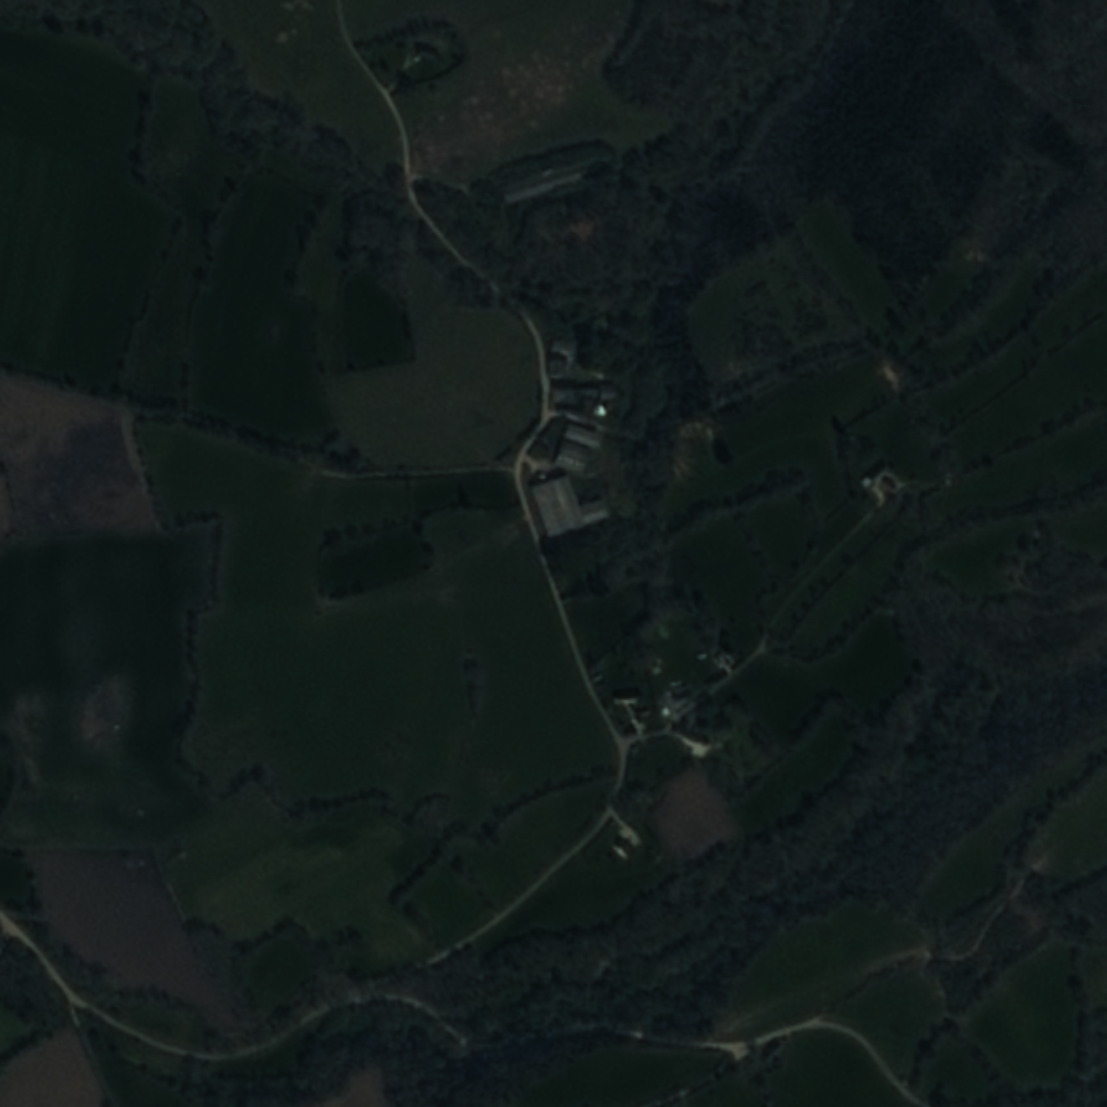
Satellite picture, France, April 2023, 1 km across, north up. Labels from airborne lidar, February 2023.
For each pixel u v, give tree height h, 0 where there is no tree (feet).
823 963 0
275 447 41
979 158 38
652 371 59
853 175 38
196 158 0
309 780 0
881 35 32
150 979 0
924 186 44
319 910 0
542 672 0
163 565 0
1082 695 70
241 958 49
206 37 54
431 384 0
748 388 41
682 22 34
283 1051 0
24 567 0
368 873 0
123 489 0
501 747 0
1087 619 60
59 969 55
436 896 0
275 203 0
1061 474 0
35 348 0
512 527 0
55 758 0
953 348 0
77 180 0
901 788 76
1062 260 68
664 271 63
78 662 0
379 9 0
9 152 0
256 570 0
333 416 0
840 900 55
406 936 0
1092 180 59
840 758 0
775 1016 0
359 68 0
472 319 0
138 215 0
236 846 0
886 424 0
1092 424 0
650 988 24
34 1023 56
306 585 0
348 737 0
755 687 0
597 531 24
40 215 0
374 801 32
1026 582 42
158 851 0
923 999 0
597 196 65
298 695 0
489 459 0
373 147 0
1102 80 64
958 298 0
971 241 60
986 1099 0
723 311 0
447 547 0
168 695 0
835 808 63
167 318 0
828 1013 0
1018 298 0
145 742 0
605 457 0
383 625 0
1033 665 49
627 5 0
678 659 0
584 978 24
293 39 0
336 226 0
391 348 0
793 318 0
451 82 0
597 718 0
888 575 0
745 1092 0
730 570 0
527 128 0
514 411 0
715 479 0
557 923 0
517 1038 39
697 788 0
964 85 39
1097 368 0
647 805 0
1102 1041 34
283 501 0
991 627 48
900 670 0
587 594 43
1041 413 0
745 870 50
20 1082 0
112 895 0
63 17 22
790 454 0
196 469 0
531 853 0
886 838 86
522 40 0
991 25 65
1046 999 0
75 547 0
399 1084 68
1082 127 60
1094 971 0
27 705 0
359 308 0
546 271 66
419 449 0
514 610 0
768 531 0
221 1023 0
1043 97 68
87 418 0
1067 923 55
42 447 0
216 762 0
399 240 114
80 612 0
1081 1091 51
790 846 67
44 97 0
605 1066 0
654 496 60
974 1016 0
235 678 0
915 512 24
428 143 0
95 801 0
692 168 70
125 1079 0
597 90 0
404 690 0
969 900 0
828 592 42
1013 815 0
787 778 0
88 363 0
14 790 23
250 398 0
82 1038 29
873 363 0
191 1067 35
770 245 60
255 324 0
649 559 44
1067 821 0
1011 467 0
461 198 20
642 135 0
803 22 69
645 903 52
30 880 25
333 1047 80
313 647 0
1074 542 0
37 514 0
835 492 0
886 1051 0
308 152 33
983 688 70
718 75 52
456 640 0
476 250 54
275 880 0
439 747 0
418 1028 23
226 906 0
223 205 29
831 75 38
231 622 0
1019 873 37
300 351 0
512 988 37
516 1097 28
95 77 0
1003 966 21
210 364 0
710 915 52
